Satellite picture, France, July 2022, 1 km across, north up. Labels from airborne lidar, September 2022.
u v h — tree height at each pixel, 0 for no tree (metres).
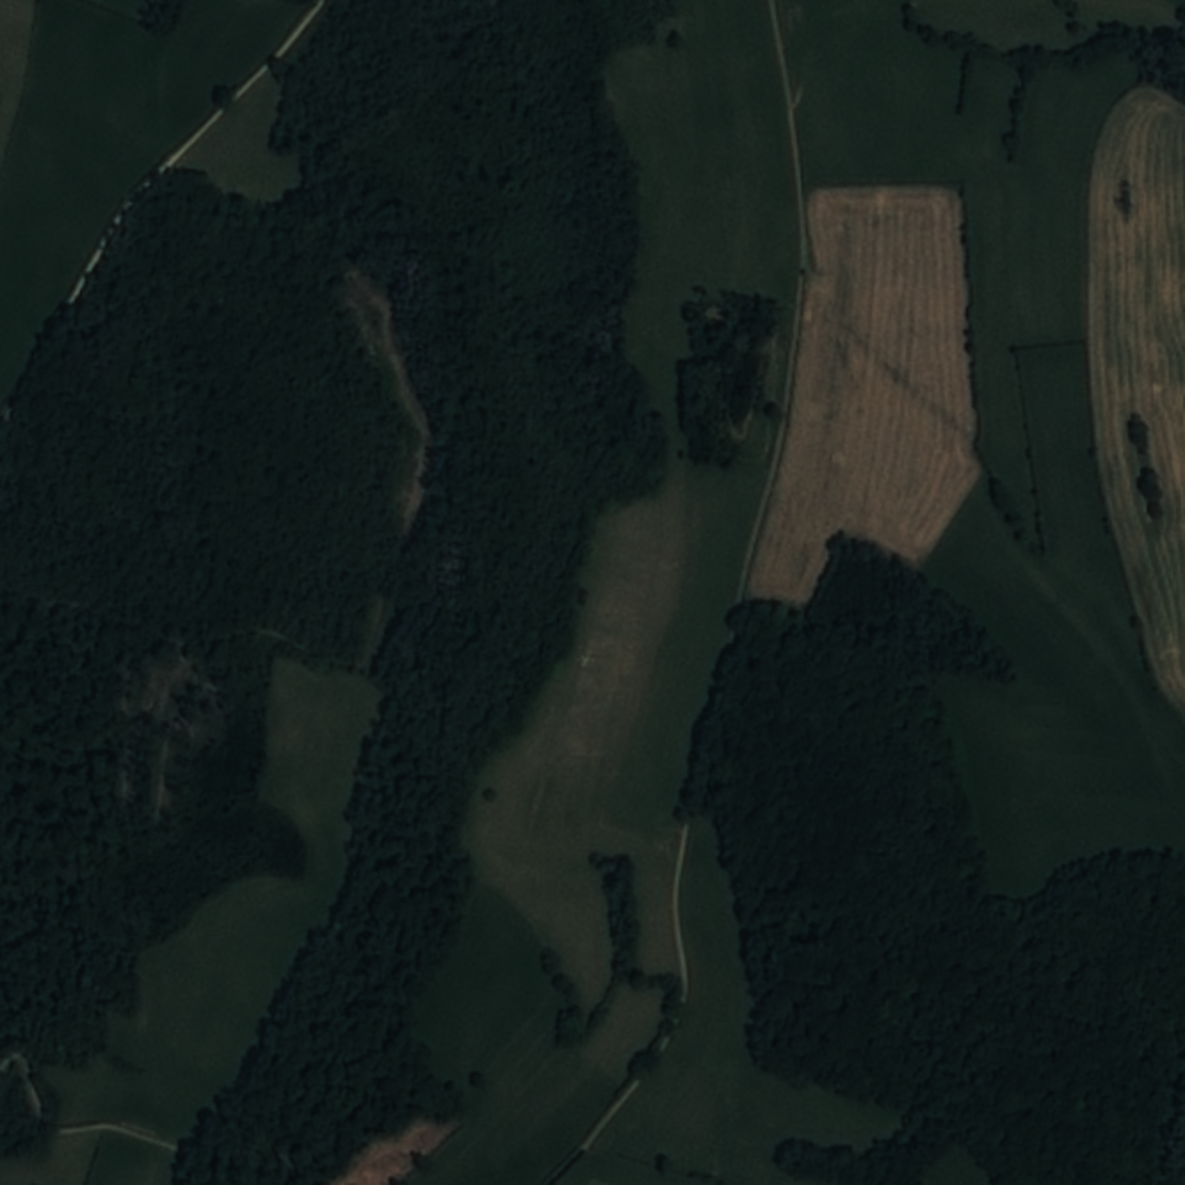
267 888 0
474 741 15
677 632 0
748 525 0
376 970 27
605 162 20
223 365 9
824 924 21
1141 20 0
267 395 6
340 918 18
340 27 14
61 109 0
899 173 0
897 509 0
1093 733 0
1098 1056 25
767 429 0
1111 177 0
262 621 7
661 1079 0
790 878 25
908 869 21
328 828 0
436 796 15
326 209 14
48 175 0
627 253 22
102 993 18
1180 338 0
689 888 0
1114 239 0
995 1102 19
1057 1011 26
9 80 0
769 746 22
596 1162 0
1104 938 19
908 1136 11
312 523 7
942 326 0
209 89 0
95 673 23
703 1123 0
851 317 0
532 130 7
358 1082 20
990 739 0
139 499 12
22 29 0
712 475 0
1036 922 16
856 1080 23
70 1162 0
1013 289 0
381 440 19
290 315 8
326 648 13
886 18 0
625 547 0
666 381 0
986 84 0
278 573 7
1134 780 0
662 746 0
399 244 32
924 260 0
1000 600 0
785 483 0
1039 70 7
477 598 19
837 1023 28
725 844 14
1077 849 0
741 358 18
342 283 12
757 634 23
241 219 12
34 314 0
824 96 0
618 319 14
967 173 0
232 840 7
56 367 14
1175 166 0
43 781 24
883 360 0
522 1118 0
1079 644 0
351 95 15
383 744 9
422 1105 24
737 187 0
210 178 11
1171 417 0
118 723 18
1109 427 0
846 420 0
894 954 18
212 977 0
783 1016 21
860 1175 20
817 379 0
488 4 9
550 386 12
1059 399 0
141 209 10
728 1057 0
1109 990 24
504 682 17
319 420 11
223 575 7
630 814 0
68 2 0
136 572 10
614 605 0
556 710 0
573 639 18
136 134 0
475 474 22
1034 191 0
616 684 0
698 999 0
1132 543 0
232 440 9
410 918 23
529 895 0
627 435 17
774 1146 0
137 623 9
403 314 18
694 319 25
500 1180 0
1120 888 21
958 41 10
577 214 19
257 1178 24
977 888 21
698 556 0
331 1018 22
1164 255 0
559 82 10
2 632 19
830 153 0
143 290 13
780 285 0
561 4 9
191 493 12
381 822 12
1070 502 0
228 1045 0
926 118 0
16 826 19
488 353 9
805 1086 21
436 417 16
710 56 0
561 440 13
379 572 15
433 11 10
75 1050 15
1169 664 0
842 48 0
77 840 19
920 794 20
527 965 0
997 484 14
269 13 0
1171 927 20
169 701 0
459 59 18
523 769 0
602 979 0
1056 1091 22
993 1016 26
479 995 0
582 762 0
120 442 12
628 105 0
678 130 0
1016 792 0
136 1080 0
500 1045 0
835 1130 0
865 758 22
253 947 0
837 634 21
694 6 0
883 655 20
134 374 13
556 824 0
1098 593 0
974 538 0
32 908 18
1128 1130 23
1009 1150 21
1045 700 0
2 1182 0
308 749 0
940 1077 22
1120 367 0
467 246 8
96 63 0
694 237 0
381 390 17
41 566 13
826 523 0
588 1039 7
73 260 0
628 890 22
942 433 0
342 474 12
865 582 14
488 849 0
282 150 17
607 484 13
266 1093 16
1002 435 0
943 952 26
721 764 21
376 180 7
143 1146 0
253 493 7
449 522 18
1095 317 0
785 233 0
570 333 17
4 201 0
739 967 0
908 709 16
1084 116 0
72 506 8
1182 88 23
